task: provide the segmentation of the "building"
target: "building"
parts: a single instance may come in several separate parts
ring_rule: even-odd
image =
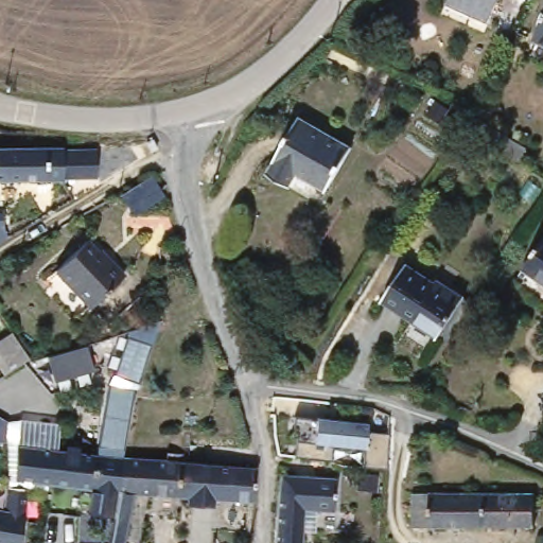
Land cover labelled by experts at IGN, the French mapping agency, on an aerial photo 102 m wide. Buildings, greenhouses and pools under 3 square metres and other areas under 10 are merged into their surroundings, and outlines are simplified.
[[[511,492],[414,494],[409,507],[411,522],[407,526],[428,528],[428,532],[443,532],[448,528],[524,528],[530,532],[530,518],[535,520],[539,513],[537,501],[543,498],[543,488],[532,486],[530,492]]]
[[[411,250],[399,257],[388,278],[390,293],[380,303],[380,310],[395,312],[399,316],[399,322],[409,325],[420,314],[426,314],[437,322],[439,318],[450,316],[456,301],[462,299],[467,291],[465,278],[445,272],[443,267],[422,265],[416,252]]]
[[[445,119],[445,102],[435,100],[433,106],[426,110],[426,117],[435,123]]]
[[[87,140],[81,144],[68,142],[66,146],[0,146],[0,182],[28,182],[30,178],[34,178],[38,185],[51,185],[57,182],[70,187],[70,180],[98,176],[100,146],[95,140]]]
[[[163,199],[161,189],[155,180],[146,178],[121,197],[125,199],[129,210],[134,216],[146,216],[144,212],[151,206]]]
[[[87,348],[47,358],[51,375],[55,380],[78,380],[78,375],[93,373]]]
[[[57,261],[62,265],[57,276],[70,286],[72,297],[83,299],[81,308],[85,312],[91,312],[93,308],[106,305],[106,295],[123,282],[127,269],[119,252],[112,246],[102,238],[93,240],[83,229],[78,229],[78,233],[68,242],[66,250],[59,255]]]
[[[522,161],[524,146],[511,136],[505,146],[505,153],[511,157],[515,161]]]
[[[339,161],[344,153],[350,146],[348,142],[297,117],[291,123],[286,123],[282,138],[272,155],[267,170],[267,178],[272,178],[274,182],[291,182],[293,178],[297,178],[312,187],[322,187],[329,176],[329,168],[333,168]]]
[[[23,535],[23,522],[25,518],[38,518],[38,513],[38,503],[28,503],[28,496],[23,492],[30,488],[62,488],[70,492],[83,492],[83,496],[91,496],[89,509],[89,528],[98,532],[106,530],[106,522],[115,518],[119,488],[132,490],[136,496],[146,496],[153,501],[155,496],[165,496],[178,498],[180,503],[189,501],[189,507],[208,509],[214,507],[218,501],[238,501],[244,486],[257,484],[259,469],[185,462],[182,458],[172,456],[165,456],[163,460],[134,458],[125,454],[127,426],[134,403],[132,390],[140,388],[140,378],[148,361],[148,352],[157,341],[159,329],[155,325],[146,327],[142,331],[132,331],[123,337],[123,358],[119,358],[119,367],[112,369],[115,378],[110,380],[115,390],[102,405],[102,407],[104,416],[100,426],[104,428],[104,439],[98,443],[100,448],[95,454],[85,454],[76,448],[64,450],[59,445],[62,437],[57,422],[6,422],[0,418],[0,445],[8,450],[11,486],[11,490],[0,488],[0,543],[30,543],[30,539]]]
[[[490,8],[496,0],[445,0],[443,11],[443,15],[465,23],[467,28],[490,28],[492,17]]]
[[[522,265],[528,276],[543,282],[543,223],[539,225],[532,242],[526,246],[528,255],[524,257]]]
[[[17,341],[17,337],[8,335],[0,341],[0,371],[11,371],[17,365],[25,367],[25,361],[30,358]]]
[[[537,42],[543,45],[543,15],[535,17],[530,32],[535,34]]]
[[[361,422],[316,420],[325,433],[314,437],[314,441],[320,445],[365,450],[369,445],[367,437],[371,435],[367,424]]]
[[[341,496],[335,494],[339,477],[337,473],[333,477],[284,473],[284,509],[280,515],[282,524],[278,543],[308,543],[303,524],[308,513],[341,511]]]

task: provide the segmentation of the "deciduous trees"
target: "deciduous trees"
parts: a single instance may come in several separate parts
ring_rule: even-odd
[[[537,428],[535,437],[528,439],[522,445],[522,450],[530,458],[543,462],[543,416]]]
[[[477,195],[467,195],[454,168],[441,170],[433,180],[424,176],[409,182],[401,182],[397,187],[399,195],[390,197],[388,208],[397,210],[395,218],[388,223],[367,218],[363,244],[384,255],[390,250],[399,257],[411,250],[418,229],[424,221],[431,221],[435,229],[448,233],[452,240],[460,240],[469,231],[473,218],[488,208],[490,199],[488,189],[479,191]]]
[[[286,255],[286,259],[291,261],[293,269],[288,274],[261,272],[255,263],[246,259],[242,250],[248,248],[246,244],[255,229],[255,218],[248,218],[244,206],[235,206],[233,202],[225,212],[218,233],[212,238],[212,242],[212,265],[218,274],[218,282],[225,293],[225,320],[229,333],[235,337],[235,344],[240,348],[240,363],[246,371],[263,373],[272,382],[295,384],[299,380],[299,373],[318,358],[318,356],[312,346],[303,344],[303,339],[308,335],[320,337],[329,322],[333,303],[329,295],[337,286],[335,276],[341,274],[344,257],[339,246],[327,235],[329,214],[318,199],[308,199],[299,204],[286,218],[286,248],[282,250],[282,255]]]
[[[443,373],[448,375],[452,369],[469,365],[473,356],[498,358],[505,346],[511,341],[509,335],[501,335],[501,316],[494,308],[496,299],[492,295],[481,295],[471,310],[465,308],[460,322],[456,322],[450,333],[441,333],[437,339],[441,341],[441,350],[437,352],[433,363],[439,363],[443,367]]]
[[[129,291],[129,297],[134,301],[134,312],[146,327],[155,325],[163,318],[165,308],[170,305],[168,284],[165,278],[146,276],[138,282]]]
[[[515,121],[518,110],[513,106],[503,104],[492,106],[479,102],[471,85],[465,89],[460,87],[452,93],[452,102],[445,102],[445,119],[452,155],[473,163],[475,159],[486,157],[492,148],[505,153],[505,146],[511,136],[511,127]]]

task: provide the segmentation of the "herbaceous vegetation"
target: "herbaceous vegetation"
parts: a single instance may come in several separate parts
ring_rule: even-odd
[[[93,208],[102,214],[102,238],[112,246],[121,240],[123,214],[129,210],[125,199],[121,197],[112,197],[106,193]]]
[[[299,373],[299,380],[295,384],[310,384],[316,380],[318,358]]]
[[[522,40],[522,36],[530,32],[535,17],[543,15],[543,0],[524,0],[511,23],[507,23],[501,17],[492,17],[490,28],[494,32],[498,32],[515,49],[522,51],[522,59],[530,59],[530,47]]]
[[[318,199],[329,214],[327,235],[339,246],[344,257],[358,257],[363,244],[367,218],[388,223],[395,218],[397,210],[388,208],[390,197],[382,191],[375,191],[371,182],[365,180],[365,172],[373,170],[378,182],[397,187],[401,182],[409,182],[424,176],[435,159],[435,123],[426,117],[426,110],[433,106],[435,100],[424,93],[420,104],[409,112],[405,132],[395,138],[395,144],[382,132],[375,132],[365,142],[352,140],[352,129],[331,127],[325,112],[333,110],[335,117],[352,115],[352,106],[358,100],[358,87],[348,78],[318,74],[318,78],[314,78],[312,83],[303,81],[299,87],[293,89],[295,98],[299,100],[299,104],[295,104],[293,108],[297,117],[348,142],[350,146],[344,153],[348,155],[344,168],[337,172],[329,193]]]
[[[25,193],[19,199],[2,202],[2,206],[6,208],[4,216],[11,216],[13,223],[42,221],[49,212],[59,210],[72,202],[72,191],[70,187],[57,182],[51,185],[53,202],[47,208],[38,208],[36,197],[32,193]]]
[[[539,513],[535,520],[530,518],[530,532],[537,537],[535,543],[543,543],[543,498],[537,501]]]
[[[543,174],[530,170],[522,161],[515,161],[511,157],[511,176],[507,176],[503,182],[515,199],[522,197],[522,191],[528,185],[535,185],[539,191],[543,189]]]
[[[325,467],[310,467],[310,458],[303,458],[299,452],[299,443],[308,443],[310,437],[301,433],[299,426],[288,428],[288,414],[274,409],[265,411],[269,452],[274,462],[278,465],[276,490],[269,505],[272,524],[267,543],[278,543],[282,524],[280,515],[284,509],[284,473],[333,477],[337,473],[339,477],[335,494],[341,496],[341,511],[352,513],[352,522],[361,526],[363,539],[371,543],[397,543],[388,526],[388,515],[386,469],[371,469],[352,458],[325,460]]]
[[[509,375],[515,367],[507,361],[507,352],[524,348],[526,329],[518,322],[520,316],[532,318],[532,308],[528,308],[522,301],[522,297],[513,288],[520,280],[518,269],[505,269],[505,257],[498,248],[498,242],[490,240],[488,235],[494,231],[503,231],[509,235],[515,223],[528,212],[530,202],[522,199],[513,210],[509,210],[498,199],[490,199],[488,208],[473,218],[469,231],[460,240],[452,240],[448,233],[435,229],[431,221],[424,221],[418,229],[411,250],[416,252],[422,265],[443,267],[445,272],[465,278],[467,291],[462,299],[465,308],[471,310],[481,295],[492,295],[496,299],[494,308],[501,316],[501,335],[509,335],[511,341],[505,346],[498,358],[473,356],[469,365],[452,369],[448,375],[448,390],[456,399],[469,403],[469,411],[462,414],[460,424],[473,426],[477,416],[505,420],[518,414],[522,418],[524,405],[509,386]]]
[[[8,450],[0,445],[0,488],[11,490],[11,486]]]
[[[0,146],[66,146],[68,142],[81,144],[87,140],[95,140],[100,146],[134,144],[155,142],[159,142],[157,132],[81,134],[0,123]]]
[[[62,488],[30,488],[23,492],[28,496],[28,503],[38,503],[38,513],[47,515],[47,528],[57,528],[57,513],[78,515],[78,511],[89,509],[91,496],[83,496],[83,492],[70,492]]]
[[[380,333],[373,348],[380,356],[388,358],[388,363],[403,365],[409,356],[414,363],[420,365],[424,346],[407,337],[409,325],[399,322],[397,331]]]
[[[163,460],[165,456],[172,456],[182,458],[185,462],[259,469],[259,456],[244,454],[250,448],[252,431],[242,403],[238,399],[214,397],[214,384],[218,382],[218,375],[231,369],[227,356],[223,356],[218,346],[208,350],[204,348],[204,361],[199,369],[182,367],[185,358],[180,344],[197,329],[204,329],[210,320],[204,305],[204,297],[199,293],[189,297],[180,284],[168,284],[170,305],[165,308],[163,318],[155,325],[159,329],[157,341],[148,352],[148,361],[140,378],[140,388],[132,390],[134,403],[127,426],[125,454],[134,458]]]
[[[78,229],[83,229],[85,218],[74,218],[72,214],[66,221],[57,223],[59,235],[47,238],[42,244],[34,246],[36,261],[23,272],[19,272],[13,280],[0,284],[0,305],[2,312],[15,310],[21,316],[21,325],[32,339],[36,337],[36,327],[53,329],[55,333],[66,333],[74,310],[59,299],[59,295],[47,295],[45,286],[38,284],[34,278],[34,272],[42,276],[42,272],[51,263],[57,261],[59,255],[66,250],[68,242],[78,233]]]
[[[144,244],[148,242],[148,238],[140,233],[132,238],[127,246],[119,252],[127,269],[138,282],[146,276],[148,261],[153,255],[144,255]]]
[[[291,189],[291,182],[274,182],[272,178],[267,178],[267,170],[257,163],[248,185],[238,191],[233,202],[235,206],[244,206],[248,218],[255,218],[255,229],[246,244],[248,248],[242,250],[246,259],[255,263],[261,272],[288,274],[293,269],[291,261],[286,259],[286,255],[282,255],[282,250],[286,248],[286,218],[299,204],[308,199],[303,193]]]
[[[490,460],[484,454],[467,456],[452,450],[431,450],[431,462],[418,462],[411,456],[405,488],[418,486],[418,473],[433,473],[435,481],[465,481],[469,477],[477,477],[481,481],[505,481],[513,484],[511,492],[530,492],[532,486],[543,488],[543,477],[526,473],[503,460]]]

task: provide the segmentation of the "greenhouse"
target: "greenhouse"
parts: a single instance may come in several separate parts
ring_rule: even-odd
[[[539,191],[535,185],[528,185],[522,191],[522,197],[522,199],[530,202]]]

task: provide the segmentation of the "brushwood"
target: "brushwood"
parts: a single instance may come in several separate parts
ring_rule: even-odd
[[[409,437],[411,456],[418,462],[431,462],[431,450],[452,450],[454,441],[450,437],[422,433],[418,437]]]
[[[528,350],[524,348],[507,352],[507,361],[515,367],[522,365],[528,356]]]
[[[498,242],[498,248],[505,257],[505,269],[518,269],[522,265],[524,257],[528,255],[526,246],[532,242],[539,225],[543,223],[543,189],[539,191],[530,202],[528,212],[515,223],[509,235],[503,231],[494,231],[488,235],[490,240]]]
[[[30,543],[45,543],[42,537],[47,528],[47,515],[38,513],[38,518],[25,518],[23,522],[23,535],[30,539]]]
[[[216,333],[216,327],[210,320],[204,329],[197,329],[180,344],[185,358],[182,367],[199,369],[204,361],[204,348],[208,350],[218,346],[223,356],[227,356]]]
[[[437,416],[450,418],[460,424],[462,414],[469,411],[469,403],[456,399],[448,390],[448,375],[443,373],[443,367],[439,363],[433,363],[437,352],[441,350],[441,341],[437,339],[424,346],[420,365],[414,363],[409,356],[403,365],[388,363],[388,358],[380,356],[373,348],[365,380],[365,386],[371,392],[405,395],[411,407],[435,411]]]
[[[316,420],[361,422],[367,424],[371,435],[386,435],[390,433],[390,428],[388,424],[373,422],[375,403],[369,401],[333,397],[329,399],[329,405],[299,405],[295,411],[297,418]]]
[[[214,397],[238,399],[242,403],[242,395],[238,390],[235,375],[231,369],[218,375],[218,382],[214,384]]]
[[[371,182],[375,191],[382,191],[390,197],[399,195],[397,187],[378,182],[373,170],[365,172],[365,180]]]
[[[515,121],[511,127],[511,136],[524,146],[522,161],[530,170],[543,174],[543,157],[539,155],[541,136]]]
[[[325,369],[325,384],[329,386],[350,375],[358,356],[356,339],[352,335],[344,335],[341,341],[333,348]]]
[[[431,19],[443,11],[445,0],[420,0],[418,11],[428,13]]]
[[[329,543],[371,543],[363,539],[361,526],[352,522],[341,522]]]
[[[337,286],[329,295],[333,303],[329,322],[320,337],[308,335],[303,339],[303,344],[312,346],[318,356],[344,322],[344,318],[348,316],[348,312],[352,310],[369,278],[375,274],[384,255],[363,244],[358,257],[344,257],[341,274],[335,276]]]
[[[333,110],[325,112],[331,127],[352,129],[352,140],[365,142],[375,132],[382,132],[395,144],[395,138],[405,132],[409,112],[420,104],[424,93],[435,100],[445,102],[452,102],[452,93],[460,87],[460,74],[454,70],[445,70],[437,53],[426,53],[422,59],[414,55],[411,40],[403,34],[403,28],[397,23],[395,17],[380,19],[375,23],[373,34],[361,40],[361,34],[350,28],[356,8],[361,4],[378,0],[350,0],[344,6],[344,11],[337,13],[329,32],[318,42],[314,42],[312,49],[303,53],[274,85],[269,85],[252,106],[244,110],[244,117],[238,123],[238,127],[231,148],[218,163],[212,178],[210,185],[204,185],[204,197],[216,197],[221,193],[233,165],[240,161],[242,153],[250,144],[263,138],[282,138],[286,123],[291,123],[297,117],[293,108],[295,104],[299,104],[299,100],[295,98],[293,89],[299,87],[303,81],[312,83],[314,78],[318,78],[318,74],[348,78],[358,87],[358,100],[352,106],[352,115],[335,117]],[[371,76],[358,74],[329,59],[331,51],[339,51],[356,59],[358,64],[371,66]]]
[[[15,244],[0,255],[0,284],[13,280],[19,272],[23,272],[36,261],[34,246],[42,244],[47,238],[59,235],[57,223],[51,225],[38,238]]]
[[[435,159],[424,176],[433,180],[441,170],[454,168],[467,195],[477,195],[479,191],[488,189],[490,199],[498,199],[509,210],[513,210],[522,199],[522,197],[515,199],[503,182],[507,176],[511,176],[511,157],[505,153],[492,148],[486,157],[475,159],[473,163],[452,155],[445,119],[435,123]]]
[[[522,418],[518,414],[505,420],[477,416],[473,426],[484,428],[488,433],[511,433],[522,420]]]
[[[469,47],[467,28],[454,30],[450,36],[448,51],[454,59],[462,59]]]
[[[144,515],[140,543],[157,543],[153,539],[151,515]]]
[[[530,320],[539,322],[543,314],[543,299],[535,288],[526,286],[520,280],[513,288],[522,297],[522,301],[528,308],[532,308],[532,318],[520,316],[518,322],[526,329]]]
[[[193,272],[185,244],[185,229],[180,225],[170,227],[165,231],[159,244],[159,252],[153,255],[148,261],[146,276],[165,278],[168,284],[180,284],[189,297],[199,293],[197,276]]]
[[[490,36],[488,51],[484,53],[479,70],[475,72],[471,85],[479,102],[492,106],[503,104],[503,91],[511,78],[511,55],[515,49],[498,32],[494,32]]]
[[[102,214],[93,208],[74,210],[72,214],[74,218],[85,218],[83,229],[93,240],[102,238]]]
[[[418,486],[405,488],[414,494],[511,492],[513,484],[505,481],[481,481],[477,477],[469,477],[465,481],[435,481],[433,473],[418,473]]]
[[[140,168],[136,176],[125,178],[119,187],[110,187],[106,193],[112,197],[121,197],[146,178],[155,180],[161,189],[163,199],[151,206],[144,212],[146,216],[163,216],[168,210],[174,208],[172,193],[163,178],[163,168],[153,163]]]
[[[53,329],[36,327],[36,337],[32,339],[21,325],[21,316],[15,310],[2,312],[0,305],[0,341],[8,335],[17,337],[17,341],[30,358],[47,358],[87,348],[112,337],[123,337],[132,331],[142,331],[146,327],[134,312],[134,301],[129,297],[115,305],[106,305],[93,308],[91,312],[85,312],[81,308],[74,310],[66,333],[55,333]]]
[[[91,414],[98,414],[102,407],[102,405],[104,378],[93,378],[87,386],[78,386],[76,390],[53,388],[53,399],[57,403],[57,422],[62,437],[72,437],[81,428],[81,418],[72,409],[72,401],[85,405]]]

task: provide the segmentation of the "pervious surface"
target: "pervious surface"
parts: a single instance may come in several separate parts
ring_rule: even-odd
[[[539,59],[530,59],[522,59],[522,51],[515,49],[511,55],[511,78],[503,91],[503,104],[513,106],[518,110],[515,121],[541,136],[539,155],[543,157],[543,55],[539,55]]]
[[[93,208],[106,193],[110,187],[119,187],[125,178],[136,176],[140,168],[153,163],[159,153],[155,142],[134,144],[134,161],[119,165],[108,176],[100,176],[98,180],[102,187],[72,191],[72,202],[59,210],[49,212],[42,221],[13,223],[11,216],[4,216],[0,221],[0,255],[15,244],[38,238],[51,225],[57,223],[66,221],[72,214],[74,210]]]
[[[250,144],[242,153],[240,161],[233,165],[221,193],[216,197],[204,197],[206,204],[197,212],[199,227],[202,233],[212,242],[212,238],[218,233],[225,212],[233,202],[238,191],[248,185],[257,163],[267,170],[272,155],[282,138],[263,138]]]
[[[361,34],[361,40],[373,34],[375,23],[380,19],[395,17],[397,23],[403,28],[403,34],[411,40],[414,55],[422,59],[426,53],[437,53],[445,70],[454,70],[460,74],[460,87],[465,89],[471,85],[475,72],[479,70],[484,53],[488,51],[490,36],[494,32],[490,28],[467,28],[465,23],[443,15],[443,11],[431,19],[428,13],[418,11],[420,0],[378,0],[361,4],[356,8],[350,28]],[[469,47],[462,59],[454,59],[448,51],[450,36],[454,30],[467,28]]]
[[[537,537],[530,532],[524,528],[448,528],[443,532],[428,532],[428,528],[407,526],[411,522],[409,507],[403,507],[403,511],[388,515],[388,526],[397,543],[535,543]]]
[[[218,163],[231,148],[238,127],[225,127],[216,132],[212,142],[208,144],[202,170],[212,178]]]
[[[129,297],[129,291],[138,282],[127,269],[123,282],[106,295],[106,305],[115,305]]]
[[[509,375],[509,386],[524,405],[522,418],[522,420],[537,428],[543,416],[543,314],[539,322],[530,320],[526,329],[524,348],[528,350],[528,356],[522,365],[515,367]]]
[[[356,59],[339,51],[331,51],[329,59],[358,74],[371,76],[371,66],[358,64]]]

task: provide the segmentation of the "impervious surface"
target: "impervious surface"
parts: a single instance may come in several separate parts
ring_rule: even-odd
[[[30,178],[28,182],[0,182],[0,221],[4,216],[6,208],[2,206],[2,202],[19,199],[25,193],[32,193],[36,197],[38,208],[47,208],[53,202],[51,185],[38,185],[34,178]]]
[[[352,458],[371,469],[386,469],[388,515],[403,511],[403,507],[409,507],[414,494],[405,488],[411,456],[409,437],[418,437],[422,433],[450,437],[454,441],[452,450],[467,456],[484,454],[490,460],[503,460],[526,473],[543,477],[543,462],[530,458],[522,450],[522,445],[528,439],[535,437],[537,428],[522,420],[511,433],[488,433],[484,428],[473,426],[460,424],[450,418],[437,416],[435,411],[411,407],[405,395],[371,392],[365,386],[365,380],[373,348],[380,333],[397,331],[399,322],[399,316],[395,312],[380,310],[380,303],[390,293],[388,278],[399,257],[390,250],[384,255],[375,274],[369,278],[352,310],[348,312],[348,316],[344,318],[344,322],[318,356],[318,358],[316,380],[310,384],[295,384],[272,382],[263,373],[246,371],[240,363],[240,348],[235,344],[235,337],[229,333],[225,320],[225,293],[218,282],[218,274],[212,265],[212,242],[202,233],[199,227],[197,212],[206,204],[204,197],[204,185],[210,185],[212,178],[202,170],[208,144],[212,142],[216,132],[225,127],[238,127],[238,123],[244,117],[244,110],[252,106],[269,85],[274,85],[303,53],[312,49],[314,42],[318,42],[329,32],[337,13],[344,11],[344,6],[350,0],[318,0],[310,8],[310,13],[297,23],[297,28],[282,42],[278,42],[265,57],[261,57],[257,64],[252,64],[248,70],[233,76],[231,81],[195,95],[127,108],[87,108],[30,102],[0,93],[0,123],[81,134],[157,132],[159,142],[155,142],[159,153],[153,163],[163,168],[163,178],[172,193],[174,208],[168,210],[163,216],[146,216],[134,216],[129,210],[123,214],[121,240],[112,246],[119,252],[127,246],[132,238],[140,233],[148,238],[148,242],[144,244],[144,255],[153,255],[159,252],[159,244],[165,231],[170,227],[180,225],[185,229],[185,244],[193,272],[197,276],[199,293],[204,297],[204,305],[210,320],[216,327],[216,333],[227,356],[231,369],[235,375],[238,390],[242,395],[242,403],[252,431],[250,448],[244,454],[259,456],[259,469],[257,484],[244,486],[238,501],[218,501],[214,507],[208,509],[189,507],[189,501],[180,503],[178,498],[165,496],[155,496],[153,501],[146,496],[136,496],[132,490],[119,488],[115,518],[106,522],[106,530],[98,532],[89,528],[89,509],[78,511],[78,515],[57,513],[57,528],[47,528],[42,537],[45,543],[140,543],[144,515],[151,515],[153,539],[157,543],[267,543],[272,524],[269,505],[276,490],[278,465],[274,462],[269,452],[265,411],[274,409],[288,414],[288,428],[299,426],[301,433],[310,437],[308,443],[299,443],[299,452],[303,458],[310,458],[310,467],[325,467],[325,460]],[[356,339],[358,356],[350,375],[329,386],[325,384],[325,369],[333,348],[341,341],[344,335],[352,335]],[[386,435],[371,435],[367,437],[369,445],[365,450],[320,445],[314,441],[314,437],[325,433],[316,420],[297,418],[295,411],[299,405],[329,405],[329,399],[333,397],[369,401],[375,403],[373,422],[388,424],[390,428],[390,433]]]
[[[102,187],[98,180],[100,176],[108,176],[119,165],[134,161],[134,144],[100,146],[98,176],[70,180],[70,187],[72,191]]]
[[[518,269],[520,280],[526,286],[535,288],[543,299],[543,282],[528,276],[522,265]]]
[[[329,176],[322,187],[312,187],[297,178],[293,178],[291,182],[291,189],[303,193],[308,199],[318,199],[329,193],[337,172],[344,168],[348,155],[344,153],[339,161],[333,168],[329,168]]]
[[[72,409],[81,418],[81,428],[72,437],[62,437],[59,445],[64,450],[76,448],[85,454],[95,454],[100,448],[98,443],[104,439],[104,428],[100,426],[104,416],[102,407],[98,414],[91,414],[85,405],[72,401]]]
[[[81,308],[83,299],[72,297],[70,286],[57,276],[62,265],[57,261],[51,263],[42,272],[42,276],[34,272],[34,278],[38,284],[45,286],[47,295],[59,295],[59,299],[74,310]]]
[[[456,322],[460,322],[465,308],[462,299],[456,301],[450,316],[439,318],[437,322],[426,314],[420,314],[409,325],[407,337],[424,346],[437,339],[441,333],[450,333]]]
[[[522,36],[522,40],[530,47],[530,59],[539,59],[539,55],[543,55],[543,45],[537,42],[535,34],[530,32]]]
[[[51,375],[47,358],[30,358],[25,361],[25,367],[17,365],[11,371],[0,371],[0,418],[6,422],[57,422],[57,403],[53,399],[53,388],[76,390],[78,386],[87,386],[93,378],[104,378],[102,405],[115,390],[110,380],[115,378],[112,369],[119,367],[119,358],[123,358],[123,337],[112,337],[87,348],[93,373],[78,375],[78,380],[55,380]]]
[[[308,543],[329,543],[341,522],[352,522],[352,513],[341,511],[308,513],[303,524]]]
[[[507,23],[511,23],[524,0],[496,0],[490,8],[492,17],[501,17]]]

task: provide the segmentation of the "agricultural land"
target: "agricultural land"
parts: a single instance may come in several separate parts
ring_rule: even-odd
[[[318,0],[0,0],[0,93],[30,102],[87,108],[127,108],[195,95],[231,81],[233,76],[248,70],[252,64],[257,64],[261,57],[265,57],[278,42],[282,42],[297,28],[297,23],[310,13],[310,8]]]

